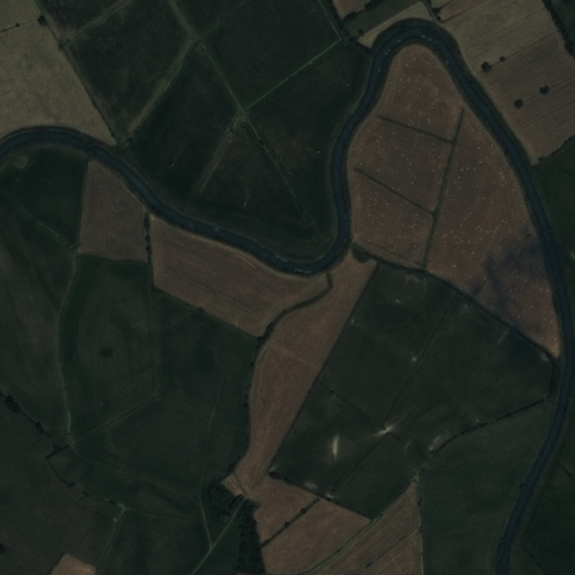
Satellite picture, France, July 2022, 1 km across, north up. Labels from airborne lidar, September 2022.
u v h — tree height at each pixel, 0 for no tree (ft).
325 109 0
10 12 0
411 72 0
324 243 0
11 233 0
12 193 0
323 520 0
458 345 0
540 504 0
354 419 0
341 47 0
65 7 0
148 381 0
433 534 0
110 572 0
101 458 0
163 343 0
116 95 0
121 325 0
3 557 0
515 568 0
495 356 0
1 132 0
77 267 0
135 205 0
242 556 23
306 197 0
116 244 0
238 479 0
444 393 0
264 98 0
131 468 0
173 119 0
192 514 0
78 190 0
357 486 0
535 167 0
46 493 0
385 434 0
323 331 0
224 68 0
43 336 0
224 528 0
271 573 0
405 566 0
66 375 0
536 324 0
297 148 0
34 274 0
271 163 0
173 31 0
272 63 0
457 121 0
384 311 0
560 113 0
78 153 0
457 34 0
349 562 0
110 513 0
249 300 0
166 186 0
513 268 0
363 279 0
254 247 0
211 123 0
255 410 0
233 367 0
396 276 0
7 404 50
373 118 0
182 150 0
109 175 0
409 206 0
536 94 0
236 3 0
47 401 0
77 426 0
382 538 0
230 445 0
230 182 0
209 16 0
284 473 0
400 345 0
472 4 0
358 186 0
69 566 0
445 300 0
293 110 0
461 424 0
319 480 0
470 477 0
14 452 0
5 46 0
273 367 0
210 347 0
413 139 0
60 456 0
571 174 0
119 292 0
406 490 0
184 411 0
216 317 0
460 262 0
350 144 0
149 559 0
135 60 0
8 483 0
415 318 0
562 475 0
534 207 0
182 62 0
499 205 0
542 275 0
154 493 0
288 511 0
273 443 0
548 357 23
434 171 0
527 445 0
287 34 0
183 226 23
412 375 0
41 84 0
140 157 0
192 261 0
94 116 0
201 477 0
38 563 0
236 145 0
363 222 0
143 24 0
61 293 0
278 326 0
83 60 0
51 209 0
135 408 0
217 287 0
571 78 0
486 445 0
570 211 0
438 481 0
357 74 0
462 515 0
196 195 0
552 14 23
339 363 0
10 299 0
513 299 0
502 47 0
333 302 0
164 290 0
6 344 0
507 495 0
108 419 0
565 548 0
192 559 0
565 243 0
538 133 0
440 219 0
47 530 0
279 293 0
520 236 0
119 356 0
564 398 0
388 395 0
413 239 0
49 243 0
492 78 0
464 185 0
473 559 0
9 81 0
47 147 0
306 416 0
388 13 0
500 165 0
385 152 0
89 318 0
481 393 0
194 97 0
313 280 0
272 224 0
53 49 0
